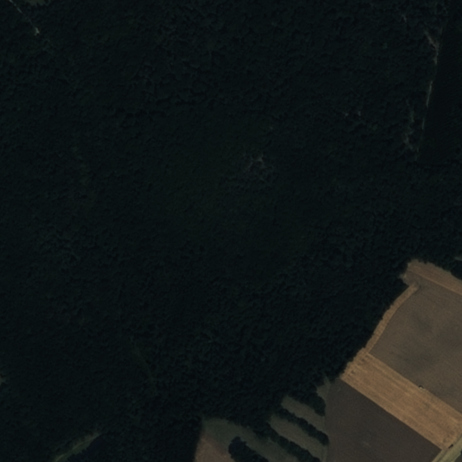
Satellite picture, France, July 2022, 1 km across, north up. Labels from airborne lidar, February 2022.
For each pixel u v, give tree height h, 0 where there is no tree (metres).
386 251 22
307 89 13
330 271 26
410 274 0
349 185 19
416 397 0
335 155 18
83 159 21
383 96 16
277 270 21
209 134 23
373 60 15
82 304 22
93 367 24
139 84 22
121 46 22
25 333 18
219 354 28
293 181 17
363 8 23
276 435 16
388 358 0
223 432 0
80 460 23
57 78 14
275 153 17
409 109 29
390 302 12
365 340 18
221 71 19
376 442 0
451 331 0
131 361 20
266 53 16
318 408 16
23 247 22
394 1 15
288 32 15
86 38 17
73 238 23
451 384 0
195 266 17
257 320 25
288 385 14
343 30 21
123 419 23
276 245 22
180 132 22
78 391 19
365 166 17
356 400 0
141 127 20
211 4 22
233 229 13
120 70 22
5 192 22
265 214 13
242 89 22
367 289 23
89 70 21
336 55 16
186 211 16
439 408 0
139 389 25
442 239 14
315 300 8
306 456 18
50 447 18
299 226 22
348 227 23
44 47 17
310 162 20
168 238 24
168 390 27
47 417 22
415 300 0
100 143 23
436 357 0
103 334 22
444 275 0
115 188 23
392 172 17
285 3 22
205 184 16
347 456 0
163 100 20
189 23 16
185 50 19
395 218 14
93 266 22
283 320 19
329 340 26
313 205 21
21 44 9
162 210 22
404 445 0
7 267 22
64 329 23
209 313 17
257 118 19
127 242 19
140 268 21
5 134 16
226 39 23
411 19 24
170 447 19
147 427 27
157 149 20
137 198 19
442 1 29
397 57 19
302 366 25
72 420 21
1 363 20
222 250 22
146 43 22
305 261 20
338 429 0
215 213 14
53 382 21
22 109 19
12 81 15
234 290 21
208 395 27
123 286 14
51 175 20
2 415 19
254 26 18
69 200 23
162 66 24
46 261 27
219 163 18
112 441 24
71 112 20
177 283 15
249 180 10
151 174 21
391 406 0
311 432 17
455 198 23
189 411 17
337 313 24
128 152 23
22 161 20
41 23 16
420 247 20
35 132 19
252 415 24
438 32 31
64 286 23
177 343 23
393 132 27
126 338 19
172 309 16
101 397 23
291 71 22
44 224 19
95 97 23
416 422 0
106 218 21
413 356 0
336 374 19
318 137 16
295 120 15
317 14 23
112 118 24
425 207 17
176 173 21
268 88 16
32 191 19
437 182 8
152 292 22
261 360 24
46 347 24
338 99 13
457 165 16
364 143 16
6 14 15
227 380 25
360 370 0
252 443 0
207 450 0
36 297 23
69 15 20
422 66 19
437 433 0
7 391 16
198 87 21
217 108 23
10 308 20
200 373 23
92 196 24
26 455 22
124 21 18
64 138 19
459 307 0
